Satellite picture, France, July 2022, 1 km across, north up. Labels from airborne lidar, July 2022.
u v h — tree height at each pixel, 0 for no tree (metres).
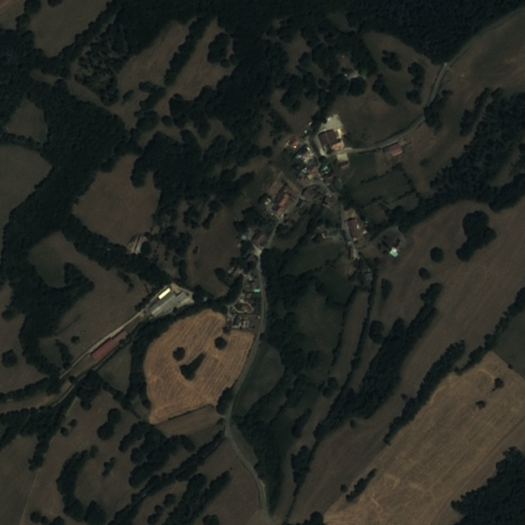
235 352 0
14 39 18
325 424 17
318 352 7
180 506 6
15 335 0
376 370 10
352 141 0
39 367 15
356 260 7
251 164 0
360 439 0
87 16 0
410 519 0
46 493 0
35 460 15
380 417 0
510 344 0
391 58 13
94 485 0
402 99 0
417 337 9
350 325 0
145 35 25
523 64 0
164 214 15
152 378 0
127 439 14
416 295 0
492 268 0
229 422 0
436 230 0
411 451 0
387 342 13
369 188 0
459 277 0
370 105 0
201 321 0
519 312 15
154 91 11
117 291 0
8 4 0
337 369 0
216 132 0
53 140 16
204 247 0
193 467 13
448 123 0
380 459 0
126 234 0
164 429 0
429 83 0
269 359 0
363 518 0
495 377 0
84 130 19
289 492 0
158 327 23
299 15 22
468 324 0
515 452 15
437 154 0
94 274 0
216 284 0
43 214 20
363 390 8
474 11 20
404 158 0
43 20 0
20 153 0
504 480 16
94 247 19
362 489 12
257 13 27
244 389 0
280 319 6
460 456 0
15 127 0
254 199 0
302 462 18
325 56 18
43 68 17
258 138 0
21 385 0
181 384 0
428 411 0
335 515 0
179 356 17
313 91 17
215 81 0
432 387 20
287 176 0
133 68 0
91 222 0
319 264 0
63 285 0
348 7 24
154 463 18
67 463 7
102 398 0
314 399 0
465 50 0
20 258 22
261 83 24
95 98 0
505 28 0
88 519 17
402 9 29
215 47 19
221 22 17
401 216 18
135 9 28
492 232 19
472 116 21
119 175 0
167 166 23
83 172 22
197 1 26
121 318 0
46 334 18
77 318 0
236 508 0
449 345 0
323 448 0
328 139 0
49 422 20
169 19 22
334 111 0
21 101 14
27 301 16
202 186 25
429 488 0
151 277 16
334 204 0
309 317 0
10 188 0
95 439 0
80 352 0
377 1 21
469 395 0
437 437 0
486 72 0
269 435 19
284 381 15
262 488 0
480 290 0
